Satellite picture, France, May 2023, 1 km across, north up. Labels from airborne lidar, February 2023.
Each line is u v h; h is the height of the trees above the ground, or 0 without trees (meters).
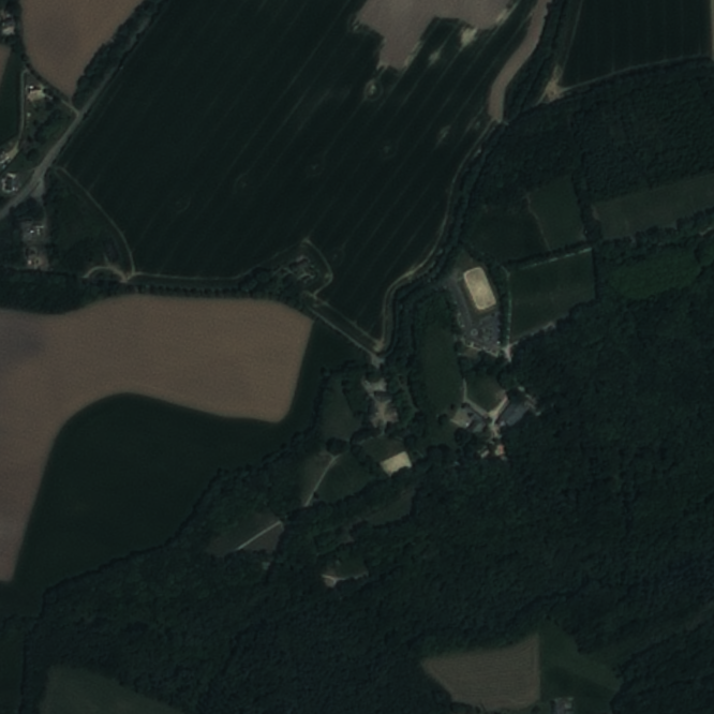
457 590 7
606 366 23
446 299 16
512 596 9
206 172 0
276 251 0
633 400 21
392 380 16
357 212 0
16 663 0
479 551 12
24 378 0
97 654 17
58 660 16
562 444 21
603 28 0
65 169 0
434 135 0
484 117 0
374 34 0
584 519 22
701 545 12
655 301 15
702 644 11
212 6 0
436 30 0
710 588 23
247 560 20
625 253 15
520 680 0
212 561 15
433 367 0
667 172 7
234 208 0
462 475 24
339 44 0
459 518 22
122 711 0
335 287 0
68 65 0
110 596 20
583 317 21
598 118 7
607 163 7
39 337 0
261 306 0
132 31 14
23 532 0
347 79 0
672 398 22
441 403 0
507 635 22
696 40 0
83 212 0
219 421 0
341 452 12
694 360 14
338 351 0
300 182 0
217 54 0
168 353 0
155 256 0
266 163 0
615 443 20
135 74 0
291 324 0
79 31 0
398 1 0
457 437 11
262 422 0
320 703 16
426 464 15
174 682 21
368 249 0
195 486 0
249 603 8
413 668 15
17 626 12
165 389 0
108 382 0
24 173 0
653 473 21
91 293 18
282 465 20
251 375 0
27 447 0
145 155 0
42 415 0
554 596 9
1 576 0
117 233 0
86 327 0
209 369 0
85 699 0
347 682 17
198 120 0
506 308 17
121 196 0
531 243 0
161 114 0
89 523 0
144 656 10
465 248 14
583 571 8
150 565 16
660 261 20
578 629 20
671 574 26
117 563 15
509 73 0
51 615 16
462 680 0
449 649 19
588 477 8
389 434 6
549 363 19
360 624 17
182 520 0
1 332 0
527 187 15
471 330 0
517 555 14
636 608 20
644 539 10
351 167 0
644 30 0
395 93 0
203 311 0
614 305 22
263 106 0
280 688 15
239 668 15
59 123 19
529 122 17
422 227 0
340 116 0
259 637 24
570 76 0
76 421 0
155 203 0
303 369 0
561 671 0
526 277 0
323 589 19
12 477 0
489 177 16
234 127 0
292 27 0
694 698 16
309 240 0
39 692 13
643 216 0
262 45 0
